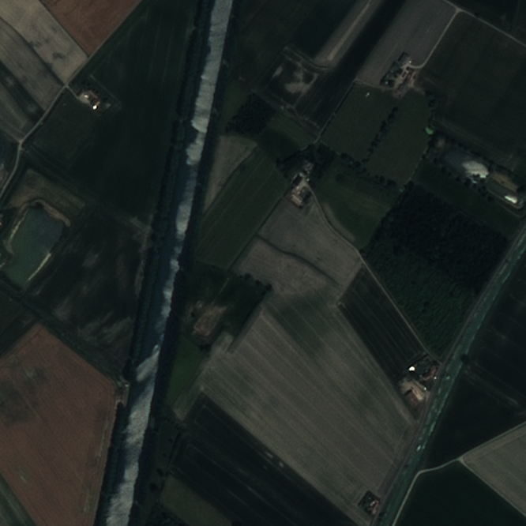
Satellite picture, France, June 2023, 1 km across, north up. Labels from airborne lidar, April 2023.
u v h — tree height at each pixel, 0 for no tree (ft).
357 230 0
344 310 0
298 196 0
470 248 19
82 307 0
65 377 0
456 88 0
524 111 0
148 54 0
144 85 0
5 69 0
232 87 0
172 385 0
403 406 0
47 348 0
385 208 0
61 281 0
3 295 0
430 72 0
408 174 0
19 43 0
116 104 0
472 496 0
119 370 0
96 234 0
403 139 0
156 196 0
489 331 0
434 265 21
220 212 0
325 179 0
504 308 0
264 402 0
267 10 0
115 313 0
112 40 0
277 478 0
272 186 0
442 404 0
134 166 0
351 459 0
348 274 0
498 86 0
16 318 0
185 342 0
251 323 0
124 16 0
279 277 0
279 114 0
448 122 0
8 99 0
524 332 0
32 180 0
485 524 0
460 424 0
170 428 0
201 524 0
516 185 0
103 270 0
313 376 0
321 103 0
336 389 0
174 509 0
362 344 0
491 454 0
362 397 0
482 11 0
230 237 0
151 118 0
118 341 0
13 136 0
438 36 0
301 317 0
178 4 0
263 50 0
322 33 0
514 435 0
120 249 0
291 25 0
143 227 0
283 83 0
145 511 0
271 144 0
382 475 0
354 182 0
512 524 0
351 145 0
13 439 0
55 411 0
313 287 0
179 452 0
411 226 45
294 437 0
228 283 0
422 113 0
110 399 0
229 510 0
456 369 0
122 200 0
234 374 0
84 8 0
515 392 0
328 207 0
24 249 0
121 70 0
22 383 0
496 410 0
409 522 0
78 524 0
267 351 0
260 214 0
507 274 0
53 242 0
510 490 0
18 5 0
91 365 0
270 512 0
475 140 0
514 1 0
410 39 0
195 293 0
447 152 0
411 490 0
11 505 0
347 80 0
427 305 30
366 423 0
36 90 0
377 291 0
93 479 0
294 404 0
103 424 0
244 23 0
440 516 0
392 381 0
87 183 0
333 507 0
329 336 0
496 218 0
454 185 0
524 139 0
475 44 0
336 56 0
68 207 0
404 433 0
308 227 0
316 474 0
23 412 0
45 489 0
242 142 0
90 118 0
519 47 0
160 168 0
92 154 0
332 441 0
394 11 0
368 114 0
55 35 0
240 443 0
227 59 67
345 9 0
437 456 0
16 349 0
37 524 0
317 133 0
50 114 0
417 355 0
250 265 0
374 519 0
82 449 0
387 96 0
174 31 0
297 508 0
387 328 0
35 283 0
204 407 0
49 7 0
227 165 0
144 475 77
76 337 0
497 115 0
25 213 0
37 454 0
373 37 0
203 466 0
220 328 0
